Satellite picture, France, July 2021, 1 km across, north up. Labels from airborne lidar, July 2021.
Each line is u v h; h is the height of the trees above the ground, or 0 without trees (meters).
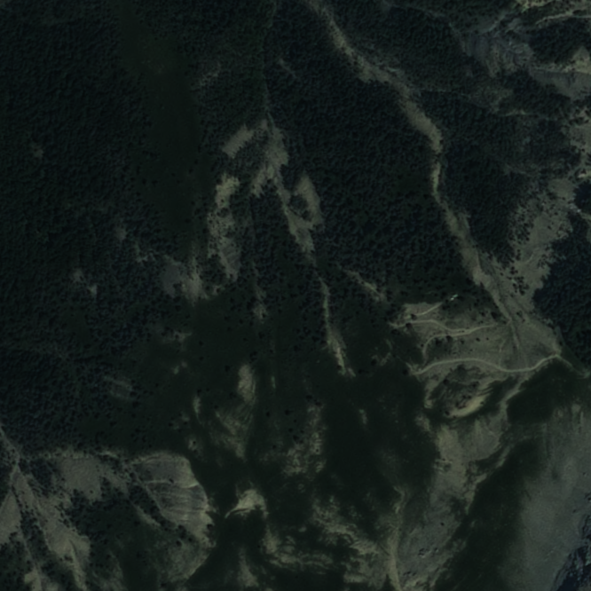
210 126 9
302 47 26
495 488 0
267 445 0
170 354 0
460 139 8
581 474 0
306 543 0
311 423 0
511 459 0
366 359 0
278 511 0
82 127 14
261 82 11
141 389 9
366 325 0
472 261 0
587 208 22
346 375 0
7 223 12
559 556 0
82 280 9
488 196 27
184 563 0
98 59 15
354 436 0
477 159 26
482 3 8
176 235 7
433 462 0
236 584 0
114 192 13
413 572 0
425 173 8
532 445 0
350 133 22
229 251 0
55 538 0
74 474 0
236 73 14
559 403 0
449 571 0
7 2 6
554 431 0
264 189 8
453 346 0
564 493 0
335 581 0
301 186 0
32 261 10
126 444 0
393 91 8
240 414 0
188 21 14
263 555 0
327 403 0
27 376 10
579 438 0
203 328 0
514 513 0
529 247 0
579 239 11
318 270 10
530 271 0
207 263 6
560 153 7
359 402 0
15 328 16
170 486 0
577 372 0
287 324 0
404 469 0
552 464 0
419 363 0
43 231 26
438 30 14
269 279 10
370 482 0
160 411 0
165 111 0
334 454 0
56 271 13
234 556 0
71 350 14
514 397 0
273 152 0
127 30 0
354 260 13
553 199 6
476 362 0
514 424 0
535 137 6
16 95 21
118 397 0
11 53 11
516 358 0
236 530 0
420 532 0
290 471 0
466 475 0
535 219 0
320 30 17
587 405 0
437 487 0
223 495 0
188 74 8
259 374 0
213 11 17
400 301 0
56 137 13
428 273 6
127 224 14
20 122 18
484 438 0
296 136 9
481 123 16
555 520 0
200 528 0
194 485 0
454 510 0
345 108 12
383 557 0
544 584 0
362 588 0
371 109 21
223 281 7
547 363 0
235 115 12
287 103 12
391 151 14
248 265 9
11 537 7
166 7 12
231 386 0
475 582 0
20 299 15
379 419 0
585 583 0
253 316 10
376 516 0
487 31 0
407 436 0
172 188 0
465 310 0
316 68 16
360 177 10
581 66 0
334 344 0
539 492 0
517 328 0
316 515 0
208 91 10
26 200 22
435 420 0
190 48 13
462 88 7
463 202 9
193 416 0
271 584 0
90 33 20
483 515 0
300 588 0
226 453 0
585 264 8
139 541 0
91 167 20
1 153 13
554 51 12
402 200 9
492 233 18
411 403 0
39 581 0
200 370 0
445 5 8
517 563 0
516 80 14
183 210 0
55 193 24
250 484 0
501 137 15
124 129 11
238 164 7
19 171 25
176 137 0
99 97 22
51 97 22
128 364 0
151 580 0
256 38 9
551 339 0
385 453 0
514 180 10
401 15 19
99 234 13
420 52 9
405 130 15
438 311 0
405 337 0
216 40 10
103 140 11
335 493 0
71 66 14
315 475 0
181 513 0
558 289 16
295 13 20
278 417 0
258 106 9
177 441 0
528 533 0
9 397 12
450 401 0
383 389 0
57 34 16
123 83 19
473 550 0
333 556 0
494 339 0
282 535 0
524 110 9
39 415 7
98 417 11
